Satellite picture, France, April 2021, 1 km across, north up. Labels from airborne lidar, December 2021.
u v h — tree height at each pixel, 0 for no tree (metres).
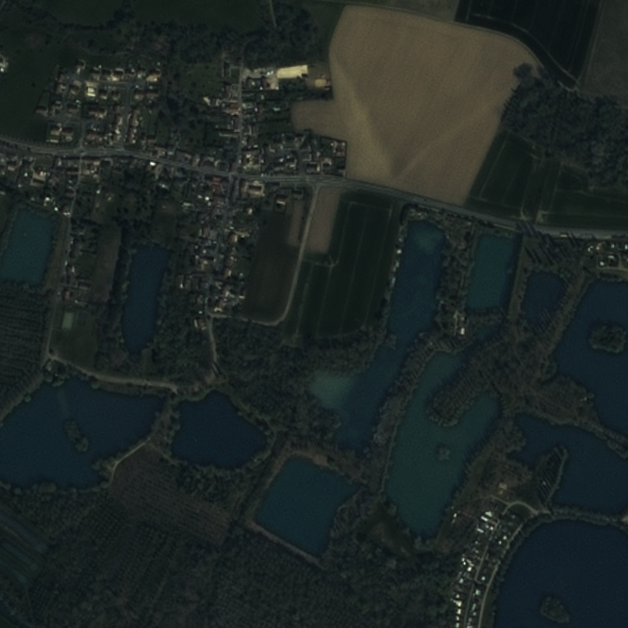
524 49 0
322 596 29
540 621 0
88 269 0
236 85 0
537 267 7
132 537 9
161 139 0
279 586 25
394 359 0
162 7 0
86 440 12
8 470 0
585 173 0
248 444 0
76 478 0
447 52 0
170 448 13
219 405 0
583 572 0
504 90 0
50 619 10
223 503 14
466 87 0
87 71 0
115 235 0
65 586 8
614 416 0
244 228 0
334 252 0
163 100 14
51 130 0
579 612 0
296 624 20
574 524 0
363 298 0
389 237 0
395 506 16
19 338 9
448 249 17
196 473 24
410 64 0
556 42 0
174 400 12
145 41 7
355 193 0
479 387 20
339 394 0
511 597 0
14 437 0
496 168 0
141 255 0
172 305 17
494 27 0
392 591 31
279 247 0
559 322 26
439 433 0
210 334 0
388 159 0
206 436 0
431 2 0
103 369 13
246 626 25
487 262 0
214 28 0
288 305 0
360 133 0
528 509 0
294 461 0
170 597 7
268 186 6
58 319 0
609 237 0
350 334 0
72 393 0
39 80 0
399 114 0
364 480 13
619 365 0
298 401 25
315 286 0
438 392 14
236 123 0
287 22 25
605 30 0
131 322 0
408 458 0
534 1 0
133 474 0
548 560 0
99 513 11
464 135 0
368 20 0
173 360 14
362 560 22
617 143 21
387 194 0
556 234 0
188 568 7
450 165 0
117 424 0
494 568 0
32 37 0
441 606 23
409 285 0
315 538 0
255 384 20
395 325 0
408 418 0
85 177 0
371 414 0
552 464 8
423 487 0
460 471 0
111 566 10
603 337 11
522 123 7
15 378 10
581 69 0
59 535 18
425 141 0
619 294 0
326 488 0
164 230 0
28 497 20
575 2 0
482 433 0
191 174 7
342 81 0
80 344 0
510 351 35
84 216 6
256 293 0
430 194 0
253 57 20
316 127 0
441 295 15
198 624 16
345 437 0
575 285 26
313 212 0
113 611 8
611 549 0
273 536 0
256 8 0
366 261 0
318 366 19
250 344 20
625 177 22
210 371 26
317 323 0
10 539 0
